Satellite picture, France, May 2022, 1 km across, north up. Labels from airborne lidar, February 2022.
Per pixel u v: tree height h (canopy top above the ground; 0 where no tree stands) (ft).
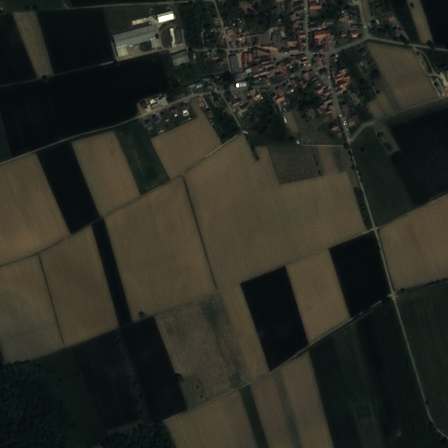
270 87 0
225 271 0
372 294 0
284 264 0
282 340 0
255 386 0
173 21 0
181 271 0
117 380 0
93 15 0
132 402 0
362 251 0
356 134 0
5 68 0
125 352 0
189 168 0
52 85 0
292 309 0
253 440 0
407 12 0
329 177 0
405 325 0
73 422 54
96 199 0
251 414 0
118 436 67
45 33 0
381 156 0
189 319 0
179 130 0
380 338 0
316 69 0
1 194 0
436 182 0
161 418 0
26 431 76
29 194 0
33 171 0
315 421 0
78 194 0
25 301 0
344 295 0
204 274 0
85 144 0
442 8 0
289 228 0
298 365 0
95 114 0
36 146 0
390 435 0
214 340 0
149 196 0
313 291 0
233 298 0
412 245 0
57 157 0
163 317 0
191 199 0
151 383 0
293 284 0
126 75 0
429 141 0
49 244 0
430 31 0
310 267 0
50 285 0
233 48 0
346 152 0
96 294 0
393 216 0
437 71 0
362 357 0
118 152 0
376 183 0
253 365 0
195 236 0
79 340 0
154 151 0
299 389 0
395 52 0
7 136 0
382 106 0
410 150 0
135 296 0
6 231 0
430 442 0
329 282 0
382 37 0
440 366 0
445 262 0
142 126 0
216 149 0
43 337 0
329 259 0
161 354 0
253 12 35
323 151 0
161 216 0
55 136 0
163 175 0
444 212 0
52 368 0
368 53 0
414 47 0
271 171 0
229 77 67
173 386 0
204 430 0
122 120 0
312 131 0
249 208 0
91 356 0
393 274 0
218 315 0
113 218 0
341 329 0
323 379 0
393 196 0
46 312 0
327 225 0
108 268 0
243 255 0
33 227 0
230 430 0
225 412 0
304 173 0
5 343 0
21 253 0
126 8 0
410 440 0
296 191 0
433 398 0
